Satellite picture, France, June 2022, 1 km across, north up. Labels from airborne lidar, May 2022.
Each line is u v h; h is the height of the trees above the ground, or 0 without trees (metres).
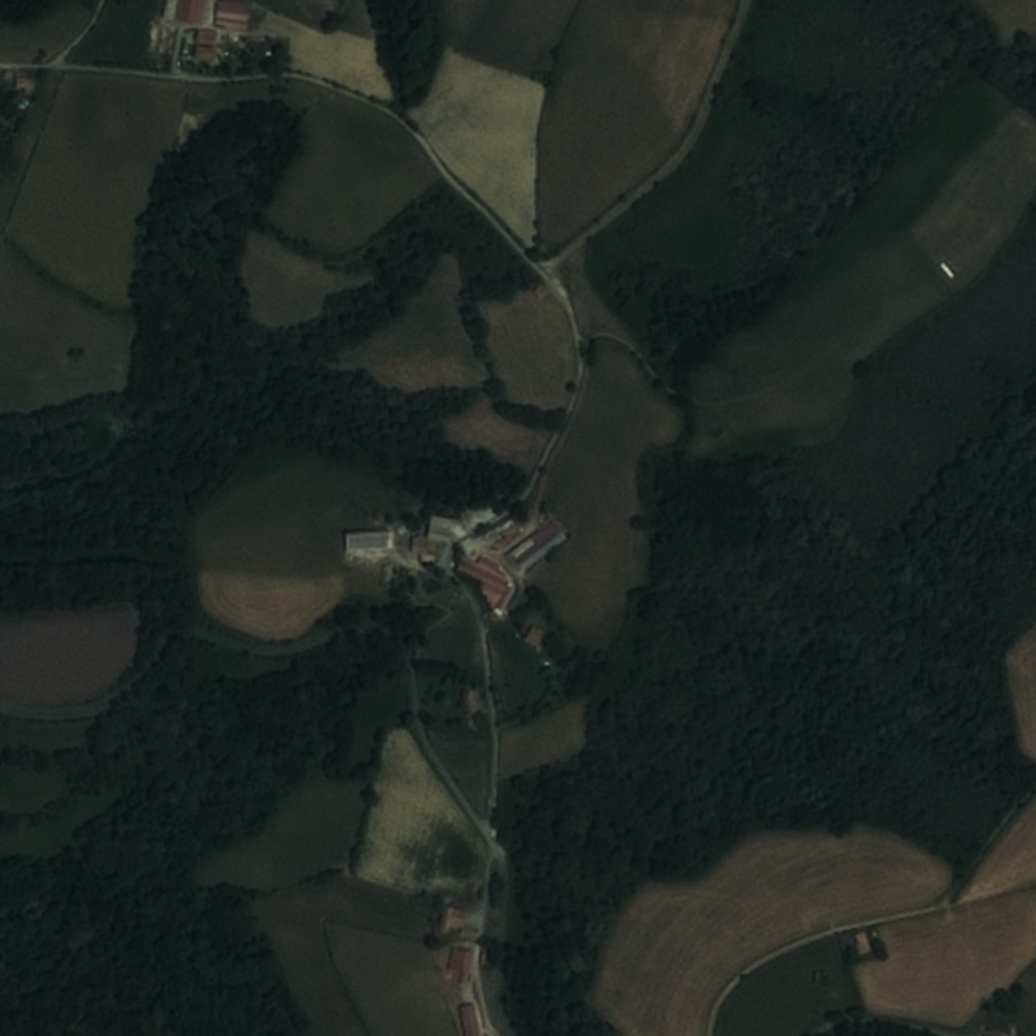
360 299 19
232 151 31
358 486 0
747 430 0
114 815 10
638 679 13
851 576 8
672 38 0
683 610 9
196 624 17
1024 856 0
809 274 0
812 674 23
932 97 10
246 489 0
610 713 15
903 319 0
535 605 7
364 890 0
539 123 0
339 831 0
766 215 12
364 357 0
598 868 7
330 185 0
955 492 25
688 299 22
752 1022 0
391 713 0
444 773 0
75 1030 21
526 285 12
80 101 0
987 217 0
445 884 0
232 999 24
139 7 0
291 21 0
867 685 12
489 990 0
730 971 0
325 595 0
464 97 0
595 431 0
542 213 0
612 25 0
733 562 8
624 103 0
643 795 18
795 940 0
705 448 0
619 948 0
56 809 7
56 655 0
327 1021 0
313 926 0
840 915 0
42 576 15
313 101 0
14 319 0
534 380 0
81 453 9
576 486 0
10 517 13
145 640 16
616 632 0
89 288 0
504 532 0
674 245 0
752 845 0
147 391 20
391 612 19
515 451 0
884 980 0
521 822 10
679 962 0
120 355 0
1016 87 7
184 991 25
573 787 17
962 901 0
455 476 19
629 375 0
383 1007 0
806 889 0
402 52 19
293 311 0
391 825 0
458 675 21
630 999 0
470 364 0
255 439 16
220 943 20
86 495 15
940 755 12
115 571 17
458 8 0
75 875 20
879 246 0
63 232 0
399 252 12
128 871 23
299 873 0
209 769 27
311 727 24
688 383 10
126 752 26
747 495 22
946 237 0
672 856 21
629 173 0
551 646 14
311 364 11
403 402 12
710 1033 0
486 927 0
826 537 19
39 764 21
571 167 0
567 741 0
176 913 20
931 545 11
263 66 6
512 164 0
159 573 8
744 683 10
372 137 0
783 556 12
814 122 14
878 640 10
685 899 0
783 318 0
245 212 19
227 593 0
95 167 0
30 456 30
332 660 22
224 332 26
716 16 0
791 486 21
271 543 0
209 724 24
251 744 24
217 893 14
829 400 0
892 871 0
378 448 9
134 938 29
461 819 0
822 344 0
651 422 0
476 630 0
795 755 9
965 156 0
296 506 0
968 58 8
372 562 0
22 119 6
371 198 0
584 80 0
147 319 18
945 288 0
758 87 16
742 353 0
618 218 0
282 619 0
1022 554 10
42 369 0
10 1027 12
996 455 17
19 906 13
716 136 0
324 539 0
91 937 14
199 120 0
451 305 0
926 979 0
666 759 11
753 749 20
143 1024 23
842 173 17
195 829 17
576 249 0
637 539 0
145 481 13
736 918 0
